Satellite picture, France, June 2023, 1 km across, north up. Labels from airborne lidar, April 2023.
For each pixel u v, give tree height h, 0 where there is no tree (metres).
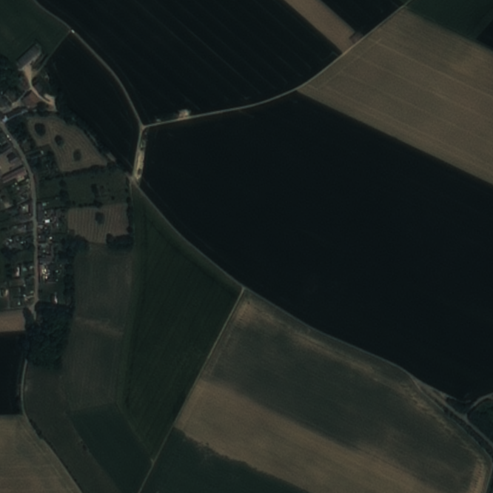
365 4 0
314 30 0
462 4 0
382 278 0
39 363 23
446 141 0
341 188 0
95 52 0
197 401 0
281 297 0
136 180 0
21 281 0
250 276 0
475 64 0
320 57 0
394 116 0
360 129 0
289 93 0
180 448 0
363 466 0
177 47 0
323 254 0
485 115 0
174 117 0
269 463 0
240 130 0
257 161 0
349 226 0
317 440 0
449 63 0
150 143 0
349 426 0
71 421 0
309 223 0
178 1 0
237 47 0
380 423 0
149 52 0
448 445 0
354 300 0
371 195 0
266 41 0
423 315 0
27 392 0
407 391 0
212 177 0
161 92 0
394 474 0
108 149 13
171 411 0
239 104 0
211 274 0
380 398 0
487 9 0
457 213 0
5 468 0
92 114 0
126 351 0
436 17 0
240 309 0
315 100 0
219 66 0
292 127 0
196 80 0
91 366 0
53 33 0
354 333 0
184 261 0
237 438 0
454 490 0
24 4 0
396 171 0
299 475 0
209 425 0
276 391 0
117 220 0
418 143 0
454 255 0
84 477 0
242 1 0
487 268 0
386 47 0
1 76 16
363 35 0
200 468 0
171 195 0
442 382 0
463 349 0
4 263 0
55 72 0
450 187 0
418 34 0
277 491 0
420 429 0
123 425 0
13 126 16
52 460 0
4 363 0
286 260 0
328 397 0
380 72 0
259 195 0
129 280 0
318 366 0
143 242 0
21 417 0
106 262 0
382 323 0
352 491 0
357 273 0
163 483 0
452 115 0
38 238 0
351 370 0
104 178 0
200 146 0
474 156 0
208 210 0
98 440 0
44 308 19
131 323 0
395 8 0
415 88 0
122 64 0
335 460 0
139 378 0
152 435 0
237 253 0
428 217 0
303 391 0
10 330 0
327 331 0
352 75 0
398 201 0
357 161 0
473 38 0
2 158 0
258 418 0
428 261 0
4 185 0
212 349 0
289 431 0
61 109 14
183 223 0
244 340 0
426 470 0
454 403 12
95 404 0
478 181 0
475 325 0
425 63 0
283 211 0
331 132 0
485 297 0
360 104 0
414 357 0
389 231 0
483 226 0
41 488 0
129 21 0
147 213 0
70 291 8
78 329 0
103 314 0
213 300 0
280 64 0
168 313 0
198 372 0
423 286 0
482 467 0
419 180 0
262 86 0
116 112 0
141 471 0
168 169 0
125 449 0
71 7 0
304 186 0
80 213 0
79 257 0
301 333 0
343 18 0
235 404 0
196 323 0
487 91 0
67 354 0
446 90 0
